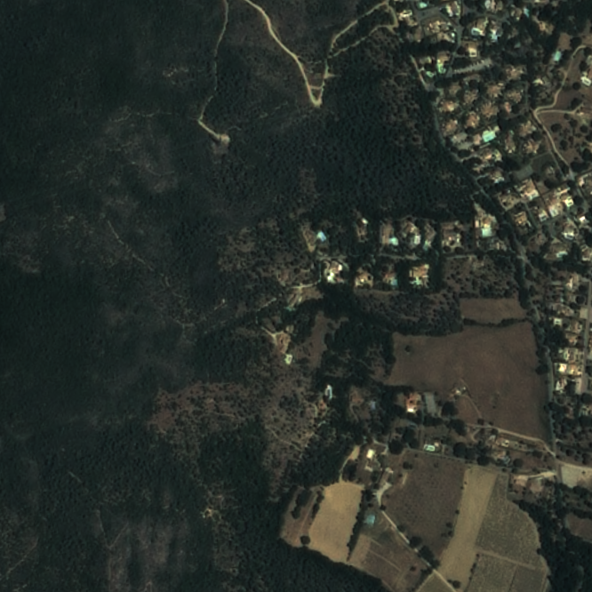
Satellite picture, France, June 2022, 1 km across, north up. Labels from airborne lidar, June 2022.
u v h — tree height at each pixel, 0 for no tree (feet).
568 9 30
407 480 0
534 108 34
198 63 35
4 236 27
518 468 29
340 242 40
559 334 31
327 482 33
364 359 24
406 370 0
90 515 24
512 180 27
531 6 19
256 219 25
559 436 27
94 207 23
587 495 46
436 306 43
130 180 21
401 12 38
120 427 22
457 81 31
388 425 31
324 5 35
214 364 36
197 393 20
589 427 35
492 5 0
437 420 32
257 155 23
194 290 31
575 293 17
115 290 24
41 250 23
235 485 25
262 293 43
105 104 29
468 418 0
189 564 22
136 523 20
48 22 26
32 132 22
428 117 37
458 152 38
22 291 34
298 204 22
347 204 60
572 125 21
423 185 49
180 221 21
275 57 19
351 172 22
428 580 0
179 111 19
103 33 23
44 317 28
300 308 29
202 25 26
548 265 43
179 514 23
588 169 27
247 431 29
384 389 25
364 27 35
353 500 0
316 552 27
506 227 39
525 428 0
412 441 46
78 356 26
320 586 67
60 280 36
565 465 0
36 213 30
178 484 25
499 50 37
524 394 0
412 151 30
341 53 28
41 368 22
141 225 21
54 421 18
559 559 25
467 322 35
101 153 29
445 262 35
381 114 49
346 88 26
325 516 0
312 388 19
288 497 36
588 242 36
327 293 36
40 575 29
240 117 20
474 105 25
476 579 0
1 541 24
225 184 42
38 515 22
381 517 0
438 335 32
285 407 37
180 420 23
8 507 21
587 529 0
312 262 19
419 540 44
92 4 22
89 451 21
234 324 22
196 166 19
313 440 44
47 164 23
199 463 33
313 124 27
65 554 50
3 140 35
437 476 0
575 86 36
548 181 21
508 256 28
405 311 62
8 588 25
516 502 22
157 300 22
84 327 50
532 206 20
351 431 31
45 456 36
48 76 27
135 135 23
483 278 36
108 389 21
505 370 0
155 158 29
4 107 36
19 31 31
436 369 0
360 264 37
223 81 47
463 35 23
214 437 25
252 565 23
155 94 18
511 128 41
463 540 0
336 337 22
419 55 40
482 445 31
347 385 31
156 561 0
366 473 0
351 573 45
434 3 31
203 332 25
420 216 43
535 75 24
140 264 23
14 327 43
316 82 0
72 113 27
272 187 46
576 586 55
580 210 29
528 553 0
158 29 20
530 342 0
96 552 22
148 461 18
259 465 31
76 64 24
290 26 24
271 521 38
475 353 0
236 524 46
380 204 56
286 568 75
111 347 23
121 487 42
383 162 54
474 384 0
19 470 29
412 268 29
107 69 32
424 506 0
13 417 63
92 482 35
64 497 31
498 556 0
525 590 0
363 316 50
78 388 33
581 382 0
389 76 34
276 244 52
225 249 23
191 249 39
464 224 48
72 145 25
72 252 25
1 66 31
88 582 26
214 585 23
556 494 37
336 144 44
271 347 25
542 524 27
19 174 26
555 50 41
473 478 0
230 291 39
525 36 42
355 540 34
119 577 0
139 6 19
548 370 35
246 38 22
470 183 33
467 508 0
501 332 0
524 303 34
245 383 25
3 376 20
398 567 0
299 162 37
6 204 23
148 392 19
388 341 33
